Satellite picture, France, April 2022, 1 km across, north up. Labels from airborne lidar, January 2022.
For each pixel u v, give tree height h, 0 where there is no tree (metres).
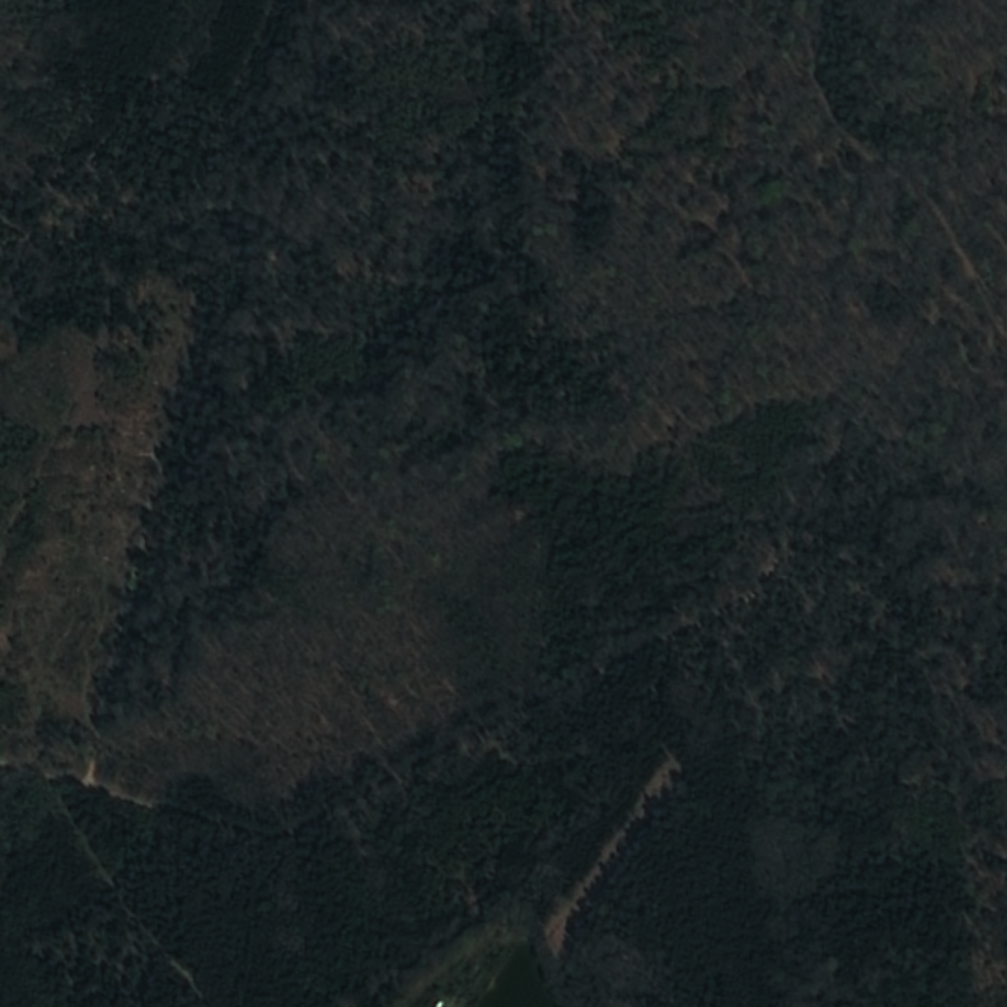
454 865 18
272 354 15
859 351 30
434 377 29
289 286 25
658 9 29
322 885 27
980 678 30
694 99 23
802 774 21
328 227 23
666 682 16
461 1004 7
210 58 20
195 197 29
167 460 23
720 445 14
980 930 12
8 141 12
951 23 33
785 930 26
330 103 24
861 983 19
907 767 25
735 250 29
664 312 29
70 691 0
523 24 26
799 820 7
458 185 29
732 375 27
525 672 14
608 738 30
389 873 18
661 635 26
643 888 28
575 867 26
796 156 30
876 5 25
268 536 15
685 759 27
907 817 17
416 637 18
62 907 11
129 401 10
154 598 9
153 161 32
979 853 13
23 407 0
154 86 11
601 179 17
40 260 22
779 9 7
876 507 26
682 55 25
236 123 35
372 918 25
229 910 22
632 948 32
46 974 15
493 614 13
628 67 26
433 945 25
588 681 23
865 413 25
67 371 0
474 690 12
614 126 28
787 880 32
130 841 22
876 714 21
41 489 11
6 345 12
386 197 26
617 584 12
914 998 15
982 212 28
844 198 28
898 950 18
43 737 10
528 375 12
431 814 22
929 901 27
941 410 30
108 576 0
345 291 31
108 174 29
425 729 17
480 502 16
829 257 27
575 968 25
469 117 16
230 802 19
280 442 28
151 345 13
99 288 12
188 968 27
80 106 12
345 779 19
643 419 25
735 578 25
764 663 19
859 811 24
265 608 21
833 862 27
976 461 26
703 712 18
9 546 9
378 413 32
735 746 26
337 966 25
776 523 23
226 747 16
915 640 29
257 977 22
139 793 14
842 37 32
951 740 23
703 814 27
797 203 12
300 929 21
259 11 24
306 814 24
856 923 20
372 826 26
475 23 29
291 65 27
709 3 29
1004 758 29
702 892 32
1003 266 28
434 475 29
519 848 11
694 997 30
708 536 9
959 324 27
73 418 8
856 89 28
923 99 32
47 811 23
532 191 30
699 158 29
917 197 30
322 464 31
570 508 12
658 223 26
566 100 24
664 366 29
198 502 26
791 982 26
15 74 10
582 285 27
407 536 26
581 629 12
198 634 31
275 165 21
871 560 10
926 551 17
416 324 32
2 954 22
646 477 11
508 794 17
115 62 19
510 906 24
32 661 7
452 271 27
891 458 28
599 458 26
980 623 18
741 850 30
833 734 14
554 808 10
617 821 24
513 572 10
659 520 16
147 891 24
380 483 28
